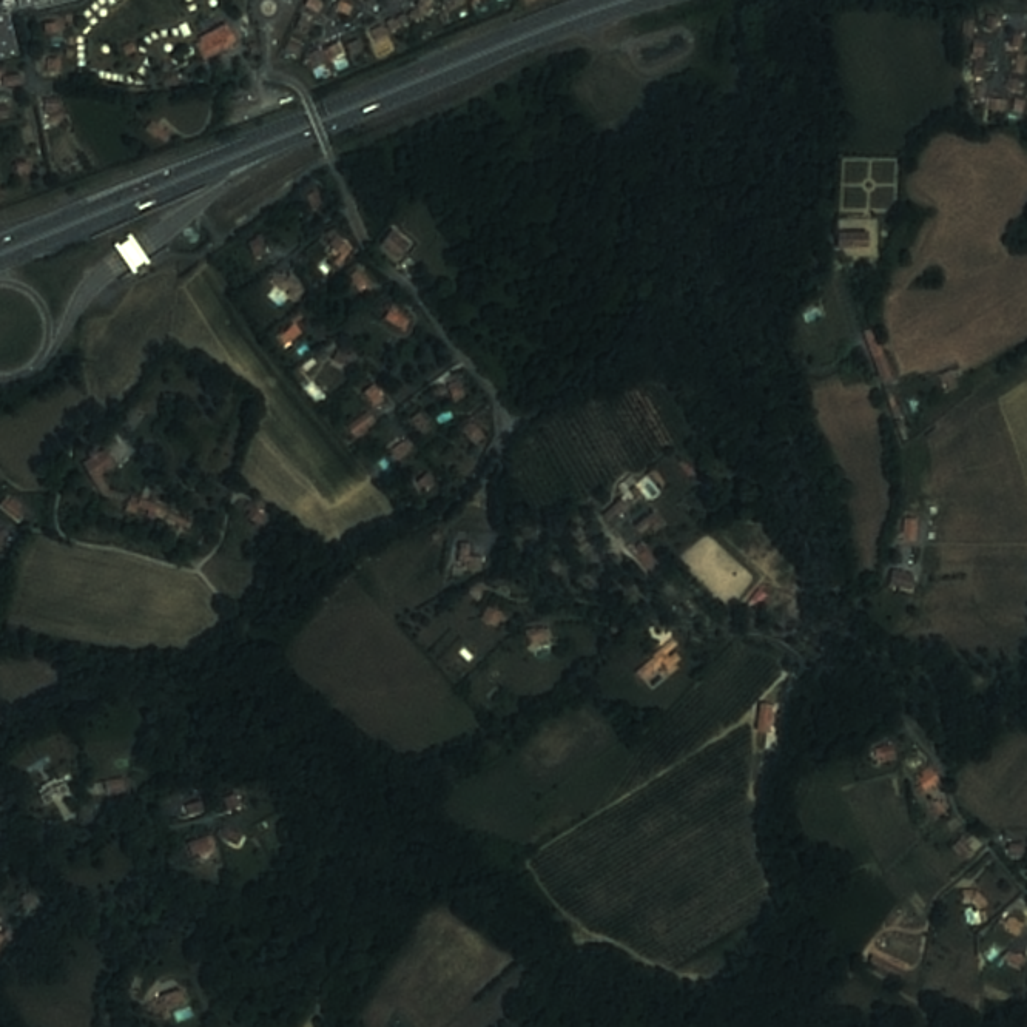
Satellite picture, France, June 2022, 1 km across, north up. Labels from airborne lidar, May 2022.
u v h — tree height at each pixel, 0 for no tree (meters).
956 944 0
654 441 5
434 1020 0
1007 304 0
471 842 20
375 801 28
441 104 0
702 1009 23
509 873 16
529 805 0
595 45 0
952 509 0
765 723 0
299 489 0
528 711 19
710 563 0
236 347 0
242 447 16
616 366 21
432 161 16
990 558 0
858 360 10
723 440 26
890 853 0
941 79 0
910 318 0
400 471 22
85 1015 0
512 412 8
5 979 18
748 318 15
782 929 24
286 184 0
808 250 19
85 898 20
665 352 22
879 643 24
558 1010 22
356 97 0
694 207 17
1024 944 0
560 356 12
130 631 0
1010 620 0
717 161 28
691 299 15
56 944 20
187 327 0
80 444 28
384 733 0
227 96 8
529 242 11
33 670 0
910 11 12
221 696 20
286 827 11
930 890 0
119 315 0
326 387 0
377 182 12
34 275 0
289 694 26
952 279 0
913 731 0
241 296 16
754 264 19
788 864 21
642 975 25
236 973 26
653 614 7
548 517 16
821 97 20
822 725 20
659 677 0
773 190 22
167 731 29
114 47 5
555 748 0
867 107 0
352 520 0
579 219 13
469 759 19
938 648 30
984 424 0
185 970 0
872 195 0
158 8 0
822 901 21
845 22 0
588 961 25
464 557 0
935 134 16
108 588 0
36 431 0
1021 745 0
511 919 29
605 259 12
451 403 11
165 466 23
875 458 0
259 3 0
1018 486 0
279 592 21
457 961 0
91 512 9
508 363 6
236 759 18
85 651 14
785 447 27
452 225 12
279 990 31
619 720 18
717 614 17
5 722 24
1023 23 0
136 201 0
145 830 25
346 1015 12
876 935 0
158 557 0
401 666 0
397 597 0
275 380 0
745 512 30
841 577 18
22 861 22
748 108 20
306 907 20
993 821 0
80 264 0
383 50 0
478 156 13
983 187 0
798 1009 28
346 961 23
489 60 0
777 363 12
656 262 22
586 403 14
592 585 19
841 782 0
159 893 29
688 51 0
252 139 0
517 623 9
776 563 0
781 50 31
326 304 11
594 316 17
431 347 8
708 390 27
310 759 28
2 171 0
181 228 0
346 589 0
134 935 9
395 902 22
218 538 13
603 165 23
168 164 0
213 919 19
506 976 8
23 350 0
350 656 0
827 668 19
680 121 26
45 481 16
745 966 25
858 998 0
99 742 0
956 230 0
